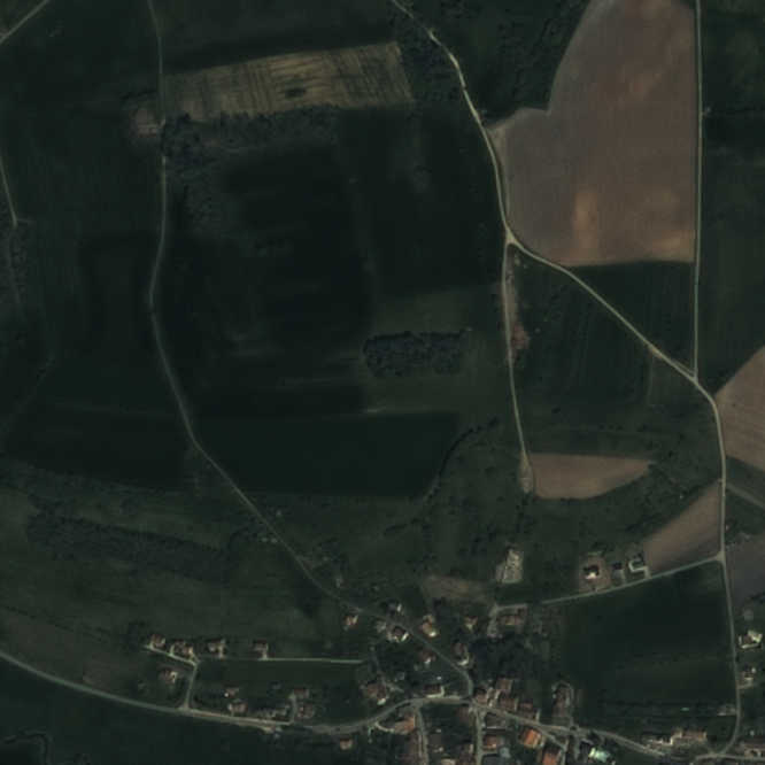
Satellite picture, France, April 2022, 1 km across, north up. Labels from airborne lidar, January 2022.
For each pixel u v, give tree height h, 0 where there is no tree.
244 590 0
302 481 0
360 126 0
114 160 0
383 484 0
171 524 0
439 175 0
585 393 0
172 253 0
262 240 0
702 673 0
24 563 0
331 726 0
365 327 0
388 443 0
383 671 6
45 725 0
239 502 0
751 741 0
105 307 0
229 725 0
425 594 0
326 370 0
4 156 0
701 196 0
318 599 0
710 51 0
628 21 0
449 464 12
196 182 8
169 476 0
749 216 0
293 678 0
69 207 0
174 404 0
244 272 0
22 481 0
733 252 0
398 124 0
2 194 13
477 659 21
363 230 0
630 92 0
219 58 0
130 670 0
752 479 0
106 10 0
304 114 6
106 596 0
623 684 0
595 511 0
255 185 0
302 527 0
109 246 0
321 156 0
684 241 0
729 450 0
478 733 0
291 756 0
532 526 6
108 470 0
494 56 0
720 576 0
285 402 0
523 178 0
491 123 9
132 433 0
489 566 0
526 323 0
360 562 0
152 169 0
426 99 7
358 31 0
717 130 0
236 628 0
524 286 0
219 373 0
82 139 0
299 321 0
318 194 0
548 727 0
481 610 0
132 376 0
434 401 0
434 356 17
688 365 0
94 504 0
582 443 0
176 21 0
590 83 0
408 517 0
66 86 0
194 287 0
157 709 0
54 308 0
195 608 0
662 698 0
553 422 0
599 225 0
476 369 0
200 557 5
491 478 13
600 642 0
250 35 0
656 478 6
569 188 0
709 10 0
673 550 0
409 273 0
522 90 8
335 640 0
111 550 20
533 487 0
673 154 0
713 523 0
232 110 0
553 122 0
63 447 0
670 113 0
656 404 0
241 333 0
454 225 0
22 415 0
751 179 0
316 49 0
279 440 0
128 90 0
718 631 0
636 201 0
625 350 0
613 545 0
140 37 0
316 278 0
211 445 0
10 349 0
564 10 10
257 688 0
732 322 0
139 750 0
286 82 0
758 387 0
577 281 0
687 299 0
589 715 0
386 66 0
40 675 0
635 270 0
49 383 0
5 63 0
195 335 0
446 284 0
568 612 0
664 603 0
